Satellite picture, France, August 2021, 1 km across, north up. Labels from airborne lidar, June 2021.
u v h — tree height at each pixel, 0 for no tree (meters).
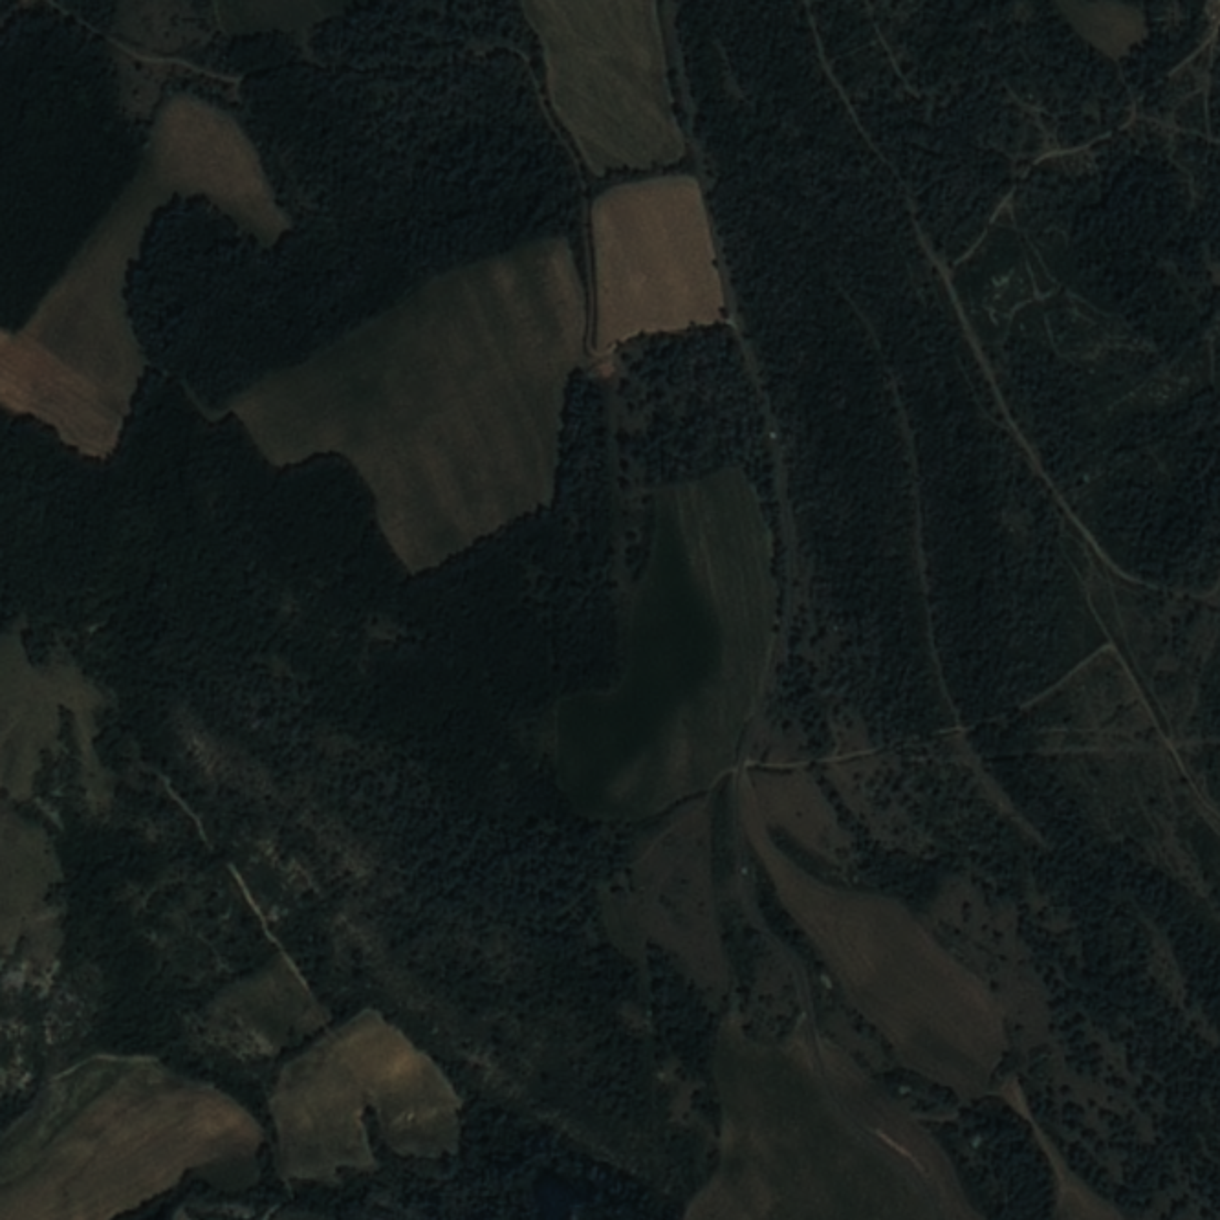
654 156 0
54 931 0
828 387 10
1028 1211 14
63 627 8
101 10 15
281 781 6
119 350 0
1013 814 0
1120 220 19
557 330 0
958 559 12
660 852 0
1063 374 7
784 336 9
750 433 14
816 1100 0
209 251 16
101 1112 0
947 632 11
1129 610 0
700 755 0
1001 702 10
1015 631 7
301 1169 0
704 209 0
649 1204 8
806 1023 0
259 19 0
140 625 17
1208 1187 10
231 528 8
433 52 14
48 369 0
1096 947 9
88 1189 0
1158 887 12
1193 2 8
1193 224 10
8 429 11
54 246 15
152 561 12
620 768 0
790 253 9
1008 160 7
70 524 12
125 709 10
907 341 11
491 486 0
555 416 0
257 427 0
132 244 0
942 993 0
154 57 0
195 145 0
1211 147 6
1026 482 9
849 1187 0
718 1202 0
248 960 8
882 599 8
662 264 0
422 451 0
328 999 7
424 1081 0
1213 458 11
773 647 0
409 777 8
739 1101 0
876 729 7
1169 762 0
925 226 6
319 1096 0
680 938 0
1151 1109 7
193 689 6
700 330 13
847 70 7
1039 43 12
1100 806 0
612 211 0
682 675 0
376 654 6
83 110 14
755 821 0
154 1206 9
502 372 0
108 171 17
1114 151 8
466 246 14
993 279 0
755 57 14
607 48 0
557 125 6
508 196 16
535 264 0
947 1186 0
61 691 0
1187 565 8
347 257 8
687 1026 11
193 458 8
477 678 8
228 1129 0
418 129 14
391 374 0
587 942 9
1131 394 0
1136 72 7
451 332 0
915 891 10
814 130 8
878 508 11
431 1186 9
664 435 15
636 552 8
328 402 0
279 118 12
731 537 0
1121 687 0
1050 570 9
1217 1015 10
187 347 15
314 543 7
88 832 6
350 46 8
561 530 11
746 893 0
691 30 9
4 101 12
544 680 9
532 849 14
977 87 10
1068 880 12
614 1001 11
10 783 0
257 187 0
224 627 10
